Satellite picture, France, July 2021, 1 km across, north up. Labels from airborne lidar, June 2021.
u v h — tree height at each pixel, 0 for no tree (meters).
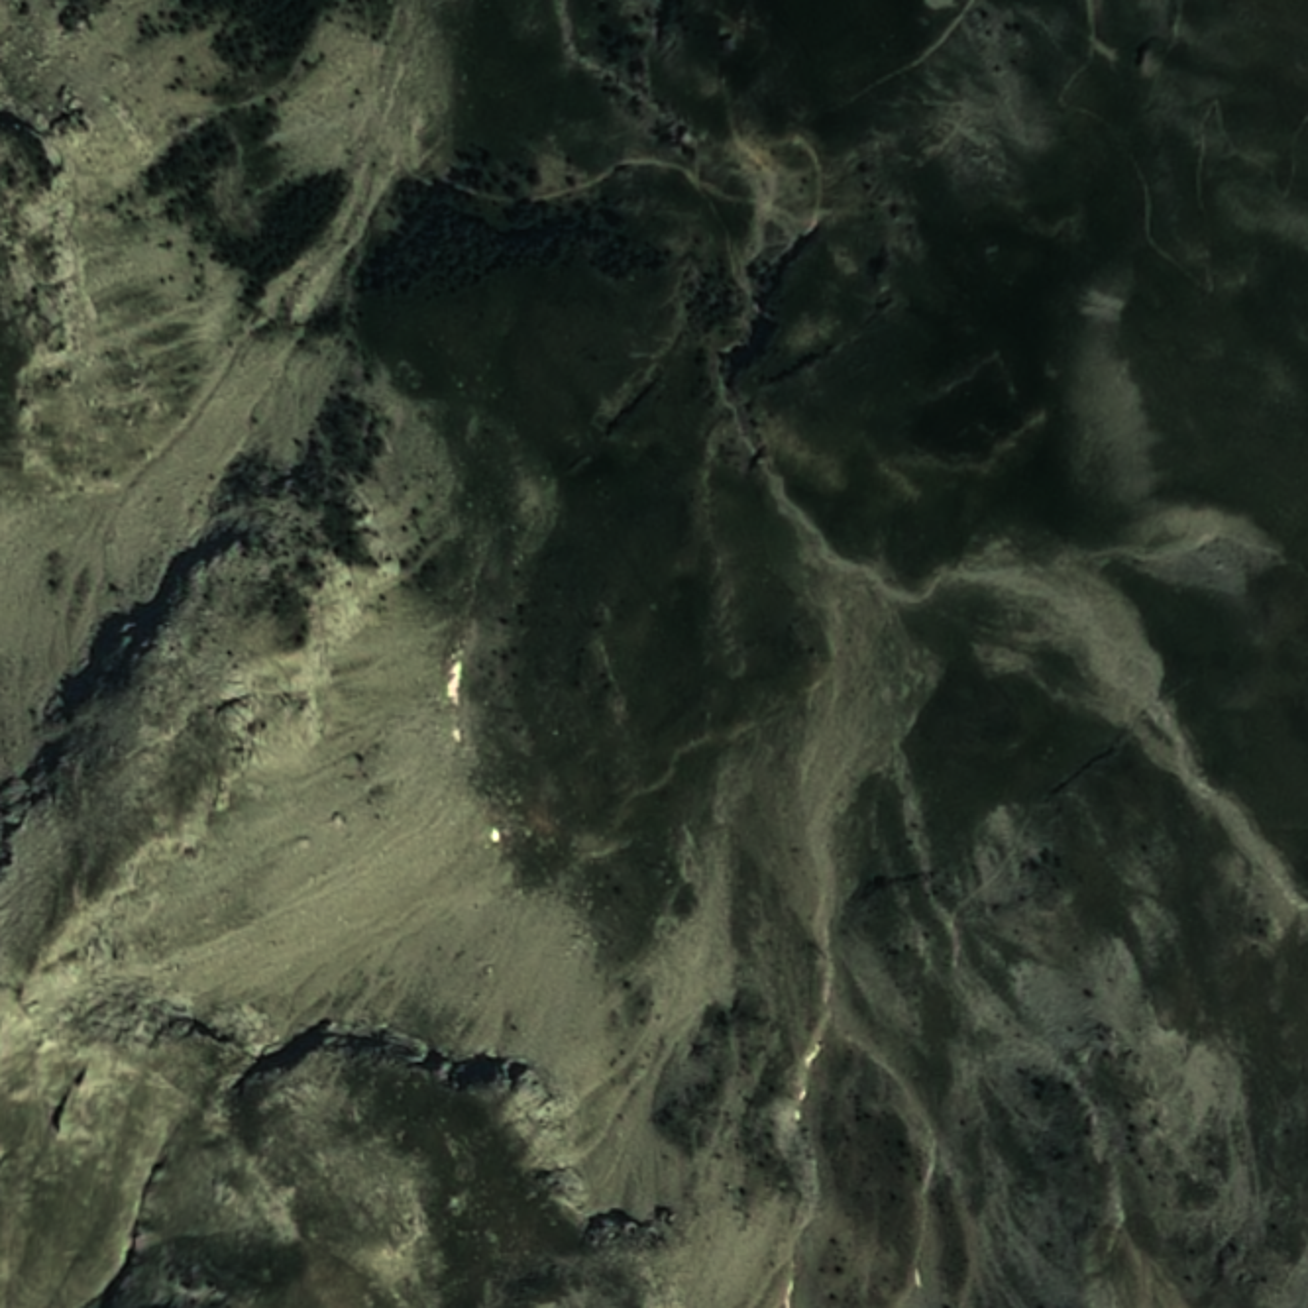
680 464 0
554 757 0
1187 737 0
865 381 0
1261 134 0
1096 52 0
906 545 0
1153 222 0
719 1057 0
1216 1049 0
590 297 0
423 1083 0
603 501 0
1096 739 0
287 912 0
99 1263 0
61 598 0
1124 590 0
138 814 0
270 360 0
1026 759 0
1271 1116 0
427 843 0
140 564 0
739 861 0
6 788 0
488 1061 0
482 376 0
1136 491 0
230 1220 0
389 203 0
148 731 0
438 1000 0
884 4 0
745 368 17
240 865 0
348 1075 0
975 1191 0
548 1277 0
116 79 0
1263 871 0
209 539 0
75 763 0
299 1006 0
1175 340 0
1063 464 0
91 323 0
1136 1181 0
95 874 0
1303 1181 0
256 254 12
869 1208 0
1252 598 0
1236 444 0
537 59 0
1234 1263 0
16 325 0
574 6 0
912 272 0
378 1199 0
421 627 0
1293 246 0
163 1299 0
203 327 0
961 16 0
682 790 0
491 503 0
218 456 0
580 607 0
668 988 0
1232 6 0
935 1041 0
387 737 0
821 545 0
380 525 0
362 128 0
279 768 0
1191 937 0
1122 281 0
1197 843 0
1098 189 0
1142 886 0
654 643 0
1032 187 0
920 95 0
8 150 0
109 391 0
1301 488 0
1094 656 0
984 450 0
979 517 0
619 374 0
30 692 0
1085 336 0
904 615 0
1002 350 0
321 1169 0
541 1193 0
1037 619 0
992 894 0
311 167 0
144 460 0
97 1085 0
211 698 0
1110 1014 0
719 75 0
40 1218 0
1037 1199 0
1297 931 0
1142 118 0
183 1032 0
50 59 0
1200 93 0
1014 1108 0
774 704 0
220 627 0
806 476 0
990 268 0
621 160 0
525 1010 0
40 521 0
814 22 0
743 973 0
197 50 0
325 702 0
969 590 0
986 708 0
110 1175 0
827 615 0
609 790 0
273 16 8
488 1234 0
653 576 0
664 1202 0
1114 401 0
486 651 0
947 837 0
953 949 0
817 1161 0
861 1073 0
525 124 0
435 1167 0
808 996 0
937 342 0
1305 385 0
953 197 0
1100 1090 0
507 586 0
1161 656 0
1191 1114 0
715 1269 0
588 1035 0
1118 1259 0
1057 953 0
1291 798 0
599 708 0
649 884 0
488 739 0
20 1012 0
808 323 0
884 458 0
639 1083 0
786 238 0
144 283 0
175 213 8
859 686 0
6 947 0
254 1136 0
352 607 0
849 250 0
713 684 0
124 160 0
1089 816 0
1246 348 0
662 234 0
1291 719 0
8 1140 0
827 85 0
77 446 0
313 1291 0
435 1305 0
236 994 0
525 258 9
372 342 0
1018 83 0
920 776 0
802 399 0
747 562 0
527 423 0
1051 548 0
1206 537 0
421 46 0
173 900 0
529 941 0
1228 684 0
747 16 0
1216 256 0
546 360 0
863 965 0
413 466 0
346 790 0
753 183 0
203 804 0
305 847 0
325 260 0
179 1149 0
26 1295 0
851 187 0
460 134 0
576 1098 0
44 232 0
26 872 0
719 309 9
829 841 0
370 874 0
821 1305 0
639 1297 0
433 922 0
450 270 9
